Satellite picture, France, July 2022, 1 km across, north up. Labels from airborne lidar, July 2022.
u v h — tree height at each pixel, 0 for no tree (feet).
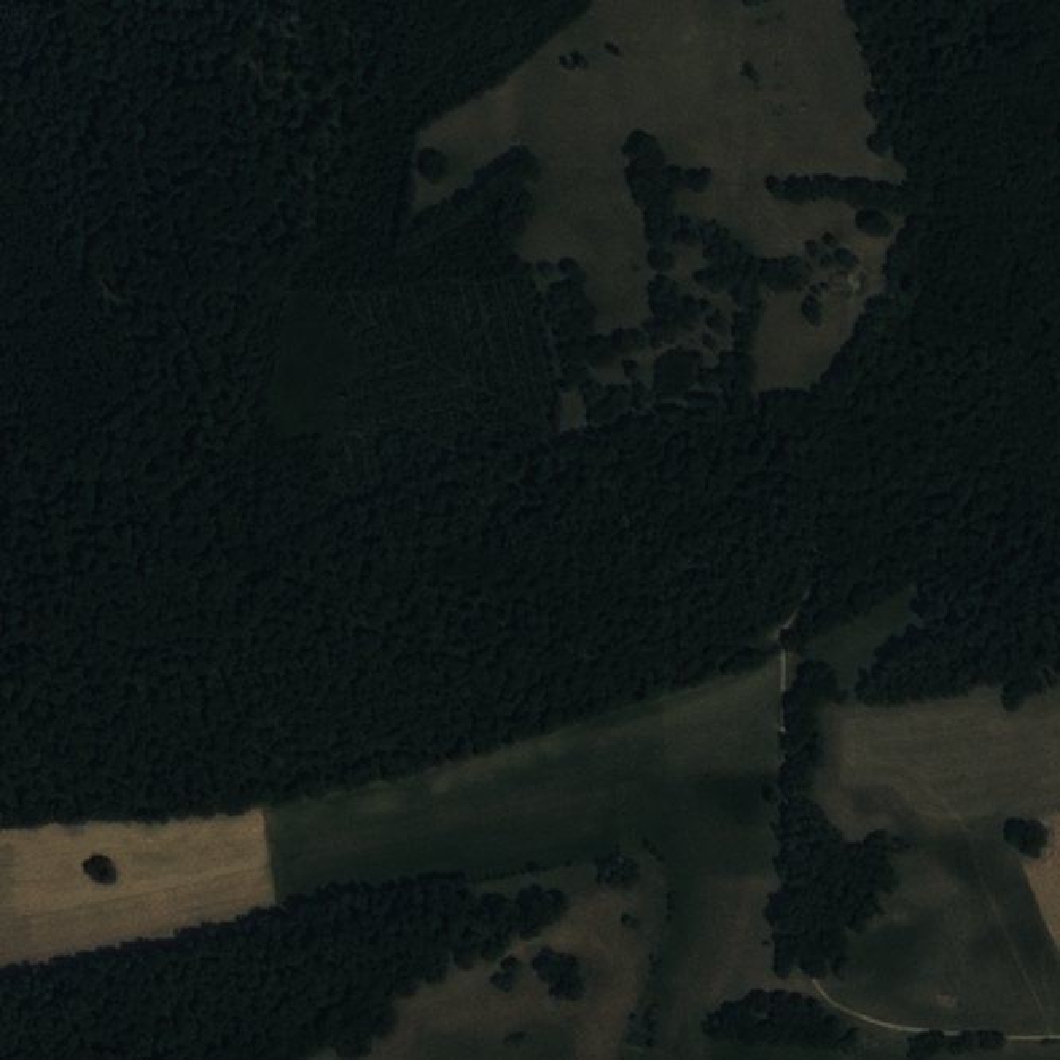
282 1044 91
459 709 64
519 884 0
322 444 34
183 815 87
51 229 64
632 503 47
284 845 0
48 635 94
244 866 0
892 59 33
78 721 96
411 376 18
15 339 69
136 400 93
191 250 85
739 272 64
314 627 46
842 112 0
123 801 96
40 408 75
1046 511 100
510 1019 0
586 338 29
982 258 67
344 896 94
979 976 0
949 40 119
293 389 0
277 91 70
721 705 0
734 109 0
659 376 28
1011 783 0
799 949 55
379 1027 78
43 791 91
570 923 0
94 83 98
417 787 0
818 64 0
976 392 49
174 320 81
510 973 48
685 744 0
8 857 0
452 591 87
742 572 38
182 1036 108
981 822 0
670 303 49
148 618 83
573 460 55
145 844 0
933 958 0
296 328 0
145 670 91
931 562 79
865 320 48
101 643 83
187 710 87
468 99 28
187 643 84
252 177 101
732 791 0
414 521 83
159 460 100
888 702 41
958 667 48
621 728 0
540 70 0
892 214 31
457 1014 0
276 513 67
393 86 76
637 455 75
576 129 0
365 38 40
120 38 95
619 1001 0
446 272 20
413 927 112
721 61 0
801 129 0
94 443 95
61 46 98
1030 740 0
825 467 73
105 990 94
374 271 25
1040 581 80
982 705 0
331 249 18
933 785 0
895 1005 0
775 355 0
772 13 0
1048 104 89
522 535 75
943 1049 41
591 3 29
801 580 69
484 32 35
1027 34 62
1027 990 0
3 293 78
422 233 69
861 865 63
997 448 93
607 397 42
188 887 0
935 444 63
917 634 20
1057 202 65
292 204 101
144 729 88
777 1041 58
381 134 21
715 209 0
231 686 83
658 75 0
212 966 99
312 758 67
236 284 94
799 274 60
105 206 95
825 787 0
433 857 0
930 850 0
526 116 0
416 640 31
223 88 93
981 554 87
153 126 106
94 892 0
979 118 85
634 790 0
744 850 0
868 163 0
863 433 57
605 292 0
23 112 104
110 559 95
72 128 102
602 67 0
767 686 0
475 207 81
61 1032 80
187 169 99
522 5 32
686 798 0
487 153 0
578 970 80
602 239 0
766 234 0
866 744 0
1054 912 0
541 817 0
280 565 87
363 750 68
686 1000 0
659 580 65
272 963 96
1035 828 51
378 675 73
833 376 52
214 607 94
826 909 57
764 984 0
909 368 54
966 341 32
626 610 48
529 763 0
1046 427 95
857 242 0
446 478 83
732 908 0
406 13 73
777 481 94
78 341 65
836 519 69
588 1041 0
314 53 28
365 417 27
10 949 0
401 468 35
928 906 0
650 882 0
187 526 92
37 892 0
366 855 0
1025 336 50
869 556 78
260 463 27
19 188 66
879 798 0
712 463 47
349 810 0
